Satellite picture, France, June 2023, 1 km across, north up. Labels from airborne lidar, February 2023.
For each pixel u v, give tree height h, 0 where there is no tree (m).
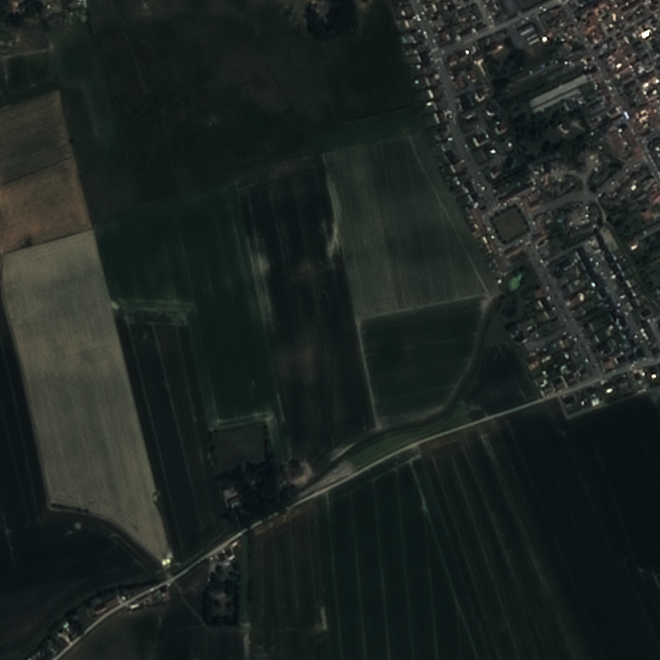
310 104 0
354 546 0
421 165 0
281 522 0
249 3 0
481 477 0
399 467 0
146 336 0
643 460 0
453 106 0
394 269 0
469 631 0
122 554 0
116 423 0
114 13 0
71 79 0
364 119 0
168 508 0
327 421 0
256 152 0
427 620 0
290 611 0
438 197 0
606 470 0
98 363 0
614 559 0
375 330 0
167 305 0
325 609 0
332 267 0
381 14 0
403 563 0
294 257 0
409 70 0
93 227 0
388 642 0
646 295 0
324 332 0
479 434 0
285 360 0
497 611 0
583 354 0
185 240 0
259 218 0
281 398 0
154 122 0
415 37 0
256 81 0
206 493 0
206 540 0
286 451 0
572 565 0
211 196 0
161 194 0
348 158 0
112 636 0
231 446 0
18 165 0
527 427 0
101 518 0
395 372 0
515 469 0
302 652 0
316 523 0
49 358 0
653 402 0
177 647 0
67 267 0
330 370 0
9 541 0
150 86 0
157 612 0
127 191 0
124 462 0
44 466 0
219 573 11
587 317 0
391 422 0
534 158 12
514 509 0
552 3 0
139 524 0
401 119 0
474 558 0
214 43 0
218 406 0
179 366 0
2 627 0
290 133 0
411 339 0
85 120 0
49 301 0
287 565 0
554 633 0
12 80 0
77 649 0
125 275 0
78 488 0
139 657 0
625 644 0
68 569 0
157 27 0
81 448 0
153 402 0
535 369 0
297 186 0
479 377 0
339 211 0
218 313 0
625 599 0
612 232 0
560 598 0
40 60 0
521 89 0
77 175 0
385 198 0
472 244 0
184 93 0
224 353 0
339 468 0
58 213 0
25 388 0
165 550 0
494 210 0
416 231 0
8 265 0
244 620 0
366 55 0
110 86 0
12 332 0
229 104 0
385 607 0
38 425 0
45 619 0
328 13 0
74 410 0
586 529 0
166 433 0
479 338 0
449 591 0
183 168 0
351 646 0
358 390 0
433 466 0
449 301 0
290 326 0
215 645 0
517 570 0
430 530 0
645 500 0
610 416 0
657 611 0
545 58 0
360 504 0
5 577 0
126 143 0
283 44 0
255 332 0
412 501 0
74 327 0
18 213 0
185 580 0
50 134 0
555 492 0
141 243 0
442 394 0
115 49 0
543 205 0
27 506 0
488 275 0
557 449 0
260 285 0
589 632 0
